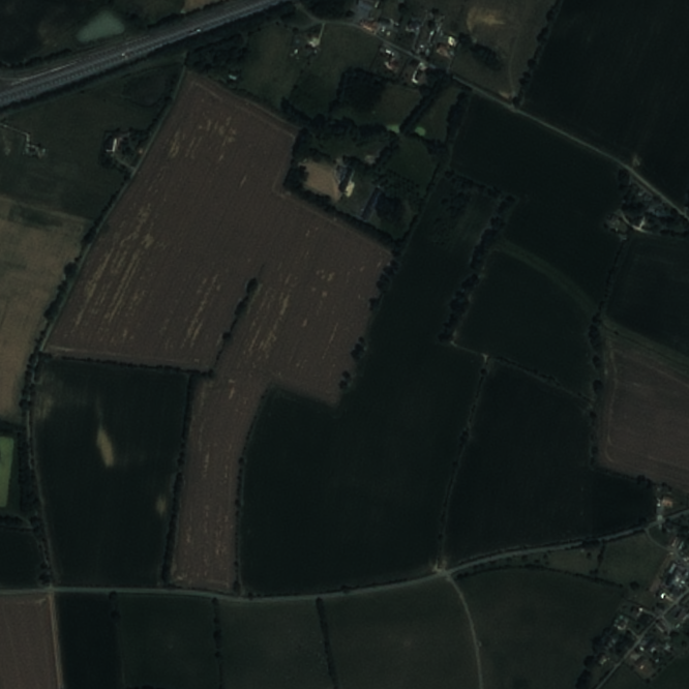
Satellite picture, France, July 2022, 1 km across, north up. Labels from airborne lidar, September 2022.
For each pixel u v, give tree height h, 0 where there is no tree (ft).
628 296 0
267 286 0
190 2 0
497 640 0
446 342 41
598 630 0
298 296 0
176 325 0
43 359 23
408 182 19
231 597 0
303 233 0
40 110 0
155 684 0
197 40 41
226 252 0
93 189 0
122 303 0
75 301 0
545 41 42
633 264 0
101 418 0
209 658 0
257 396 0
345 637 0
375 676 0
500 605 0
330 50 0
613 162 0
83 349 0
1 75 0
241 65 39
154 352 0
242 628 0
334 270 0
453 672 0
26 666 0
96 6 0
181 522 0
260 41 0
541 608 0
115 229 0
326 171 0
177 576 0
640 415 0
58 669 0
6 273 0
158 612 0
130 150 27
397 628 0
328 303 0
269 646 0
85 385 0
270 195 0
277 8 35
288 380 0
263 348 0
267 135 0
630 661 0
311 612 0
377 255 0
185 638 0
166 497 0
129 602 0
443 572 0
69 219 0
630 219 26
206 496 0
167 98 28
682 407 0
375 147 0
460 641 0
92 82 25
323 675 0
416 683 0
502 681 0
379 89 53
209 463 0
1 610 0
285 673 0
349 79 45
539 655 0
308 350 0
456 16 0
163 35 0
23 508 28
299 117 79
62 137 0
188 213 0
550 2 0
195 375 39
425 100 38
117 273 0
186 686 0
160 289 0
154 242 0
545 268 0
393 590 0
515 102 40
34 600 0
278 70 0
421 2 0
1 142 0
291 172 26
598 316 26
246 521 0
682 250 0
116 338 0
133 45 0
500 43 0
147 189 0
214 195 0
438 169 23
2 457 0
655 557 0
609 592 0
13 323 0
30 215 0
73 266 45
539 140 0
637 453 0
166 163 0
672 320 0
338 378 0
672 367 0
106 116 0
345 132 84
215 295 0
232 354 0
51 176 0
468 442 45
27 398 22
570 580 0
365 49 0
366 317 0
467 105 34
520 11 0
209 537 0
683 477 0
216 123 0
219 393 0
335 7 35
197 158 0
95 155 0
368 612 0
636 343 0
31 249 0
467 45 60
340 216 31
